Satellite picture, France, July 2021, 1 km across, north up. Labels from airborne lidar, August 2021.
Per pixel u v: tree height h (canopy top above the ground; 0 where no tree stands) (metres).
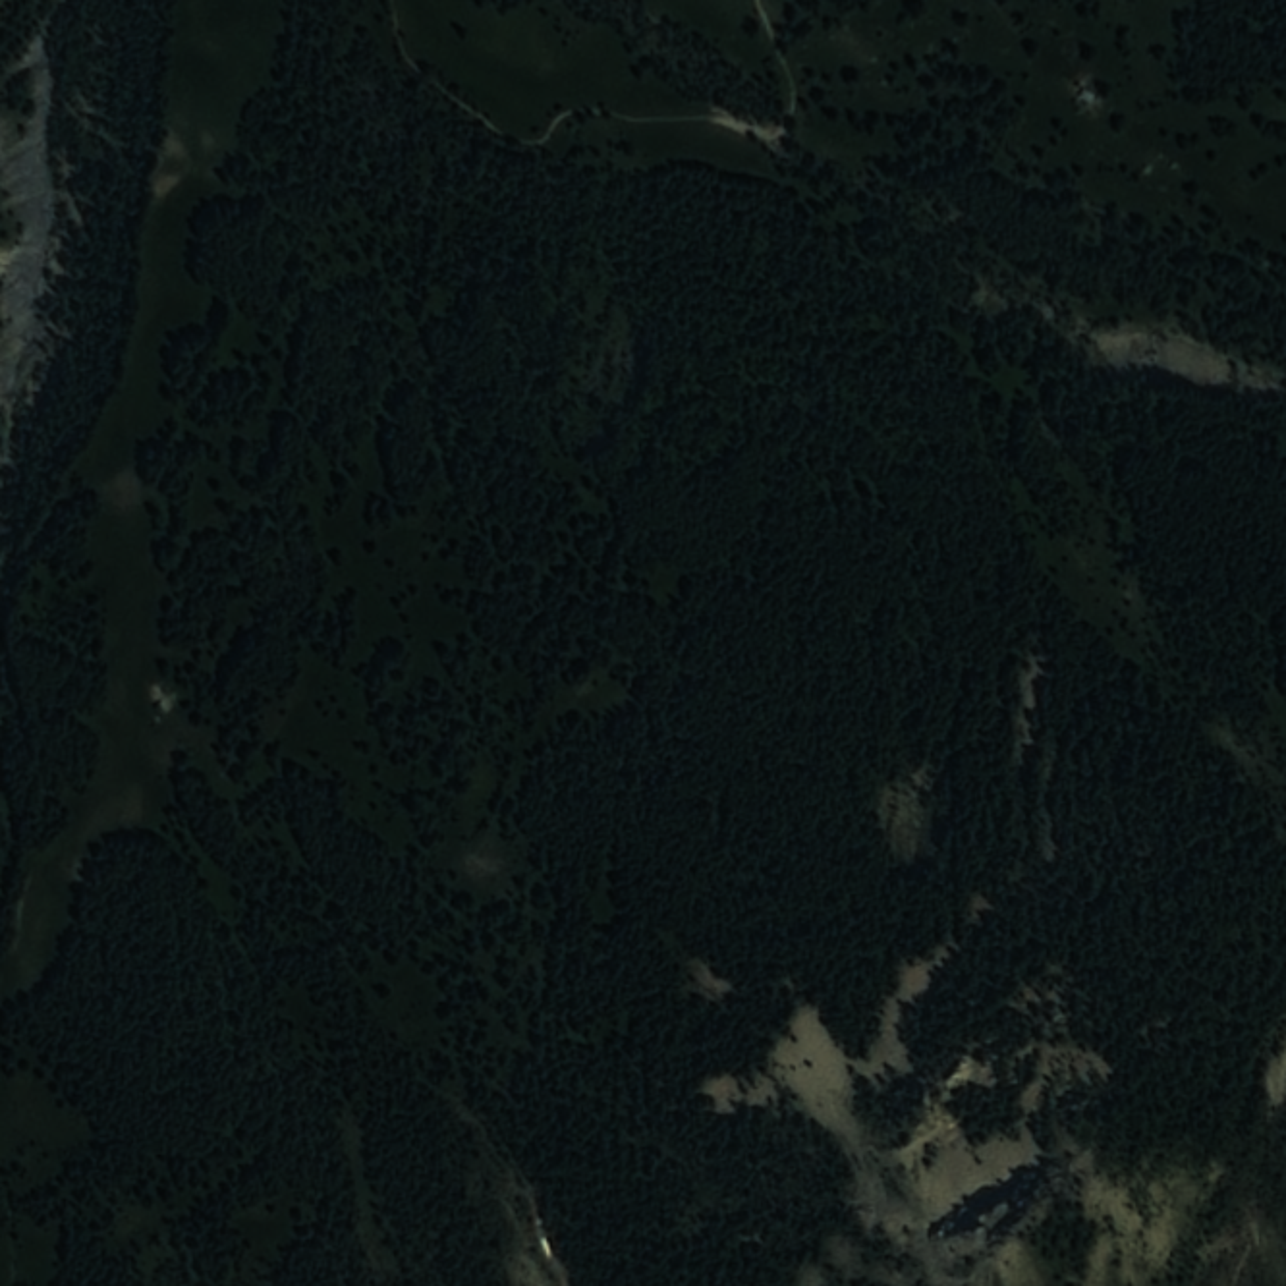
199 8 0
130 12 20
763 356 8
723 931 18
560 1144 13
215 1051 19
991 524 27
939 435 21
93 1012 22
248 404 22
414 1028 0
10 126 0
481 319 26
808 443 16
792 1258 8
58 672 24
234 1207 15
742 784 24
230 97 0
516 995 8
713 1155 16
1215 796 11
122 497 0
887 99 0
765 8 0
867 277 16
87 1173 16
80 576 14
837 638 26
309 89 8
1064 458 8
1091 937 19
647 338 20
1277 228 0
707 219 13
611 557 18
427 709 14
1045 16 0
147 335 0
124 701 0
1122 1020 14
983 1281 0
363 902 21
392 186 15
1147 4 0
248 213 28
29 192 0
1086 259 28
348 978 10
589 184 11
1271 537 26
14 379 0
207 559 12
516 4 14
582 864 15
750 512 27
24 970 0
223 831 26
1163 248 23
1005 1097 12
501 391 21
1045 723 17
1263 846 24
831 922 17
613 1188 8
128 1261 13
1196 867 20
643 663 21
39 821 20
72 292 15
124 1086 21
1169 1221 0
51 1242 0
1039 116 0
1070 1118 9
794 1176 7
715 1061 15
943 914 24
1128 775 23
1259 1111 9
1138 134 0
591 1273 10
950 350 20
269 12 0
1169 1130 9
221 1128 19
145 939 22
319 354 28
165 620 9
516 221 6
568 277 21
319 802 21
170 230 0
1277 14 17
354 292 26
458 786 19
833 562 26
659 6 0
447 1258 10
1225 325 13
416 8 0
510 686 0
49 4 14
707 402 16
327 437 29
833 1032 10
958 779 22
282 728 0
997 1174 0
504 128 0
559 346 19
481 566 15
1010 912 17
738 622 29
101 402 17
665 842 20
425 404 19
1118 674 11
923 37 0
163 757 0
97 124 12
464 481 25
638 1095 19
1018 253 23
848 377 17
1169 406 19
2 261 0
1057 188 14
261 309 26
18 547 16
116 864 25
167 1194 17
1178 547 27
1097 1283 0
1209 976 12
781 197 15
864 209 18
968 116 17
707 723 21
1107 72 0
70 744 24
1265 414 22
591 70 0
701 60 8
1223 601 24
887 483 23
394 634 0
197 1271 10
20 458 16
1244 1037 16
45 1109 0
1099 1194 0
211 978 21
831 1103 0
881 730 26
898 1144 9
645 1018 17
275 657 25
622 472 20
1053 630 23
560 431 18
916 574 26
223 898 0
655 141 0
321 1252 15
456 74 0
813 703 22
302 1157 18
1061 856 10
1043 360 25
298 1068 24
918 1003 7
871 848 21
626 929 15
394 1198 16
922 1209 0
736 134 0
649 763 13
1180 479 24
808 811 24
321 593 18
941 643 27
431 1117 10
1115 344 0
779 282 6
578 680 16
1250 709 6
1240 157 0
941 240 12
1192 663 7
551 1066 10
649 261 7
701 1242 14
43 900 0
